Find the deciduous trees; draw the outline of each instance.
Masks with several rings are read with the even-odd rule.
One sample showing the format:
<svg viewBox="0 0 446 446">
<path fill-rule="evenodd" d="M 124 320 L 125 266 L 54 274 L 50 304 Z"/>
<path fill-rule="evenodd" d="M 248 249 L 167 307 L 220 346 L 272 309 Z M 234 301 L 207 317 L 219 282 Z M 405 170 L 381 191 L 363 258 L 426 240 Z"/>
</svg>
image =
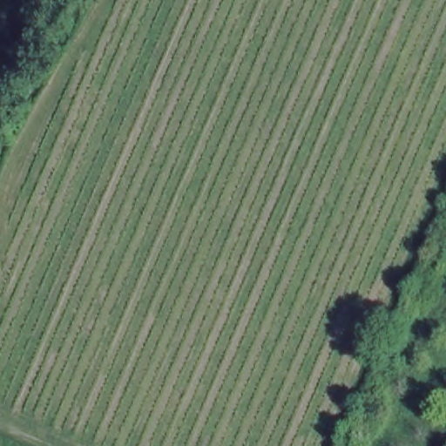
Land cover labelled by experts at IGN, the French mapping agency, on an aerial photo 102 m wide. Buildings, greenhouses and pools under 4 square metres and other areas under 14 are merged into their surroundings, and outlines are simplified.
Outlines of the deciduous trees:
<svg viewBox="0 0 446 446">
<path fill-rule="evenodd" d="M 30 120 L 31 111 L 28 110 L 31 103 L 37 101 L 38 94 L 42 92 L 45 84 L 49 84 L 49 77 L 57 52 L 63 47 L 66 24 L 84 12 L 85 3 L 89 0 L 0 0 L 0 157 L 10 146 L 16 146 L 26 122 Z"/>
<path fill-rule="evenodd" d="M 437 350 L 446 350 L 446 328 L 441 324 L 429 334 L 429 340 L 436 345 Z"/>
<path fill-rule="evenodd" d="M 436 432 L 443 432 L 446 427 L 446 387 L 432 390 L 429 397 L 420 402 L 422 415 L 432 423 Z"/>
<path fill-rule="evenodd" d="M 413 272 L 399 282 L 399 293 L 413 296 L 420 284 L 420 277 Z"/>
<path fill-rule="evenodd" d="M 394 312 L 376 307 L 369 310 L 368 314 L 364 314 L 361 322 L 355 324 L 355 350 L 352 357 L 359 362 L 361 368 L 369 369 L 375 369 L 378 373 L 385 373 L 389 369 L 399 371 L 399 375 L 395 376 L 397 383 L 392 385 L 392 397 L 397 402 L 402 401 L 408 390 L 409 378 L 402 373 L 404 364 L 416 362 L 416 375 L 413 378 L 416 382 L 425 382 L 429 378 L 432 359 L 423 348 L 413 354 L 411 359 L 404 361 L 402 350 L 408 345 L 411 331 L 404 328 L 401 322 L 395 321 Z"/>
<path fill-rule="evenodd" d="M 359 392 L 345 397 L 347 413 L 364 406 L 364 397 Z"/>
</svg>

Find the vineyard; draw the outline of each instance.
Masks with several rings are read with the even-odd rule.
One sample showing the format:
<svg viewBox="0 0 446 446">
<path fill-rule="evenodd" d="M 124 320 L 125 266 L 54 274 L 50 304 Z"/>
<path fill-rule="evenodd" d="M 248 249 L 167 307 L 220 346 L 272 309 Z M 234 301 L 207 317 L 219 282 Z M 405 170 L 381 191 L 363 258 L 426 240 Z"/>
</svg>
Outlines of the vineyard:
<svg viewBox="0 0 446 446">
<path fill-rule="evenodd" d="M 399 293 L 399 282 L 413 272 L 418 263 L 418 249 L 425 240 L 427 226 L 436 220 L 437 209 L 446 206 L 446 0 L 94 0 L 89 17 L 82 19 L 80 23 L 71 51 L 64 57 L 61 66 L 57 66 L 54 75 L 49 77 L 49 84 L 45 84 L 42 92 L 38 94 L 37 101 L 31 103 L 28 110 L 31 111 L 30 120 L 26 122 L 16 146 L 10 146 L 0 157 L 0 446 L 333 446 L 331 436 L 334 425 L 343 420 L 347 413 L 345 397 L 359 392 L 366 382 L 369 369 L 361 368 L 359 362 L 352 357 L 355 350 L 355 324 L 361 322 L 364 314 L 368 314 L 369 310 L 376 307 L 394 312 L 399 301 Z"/>
</svg>

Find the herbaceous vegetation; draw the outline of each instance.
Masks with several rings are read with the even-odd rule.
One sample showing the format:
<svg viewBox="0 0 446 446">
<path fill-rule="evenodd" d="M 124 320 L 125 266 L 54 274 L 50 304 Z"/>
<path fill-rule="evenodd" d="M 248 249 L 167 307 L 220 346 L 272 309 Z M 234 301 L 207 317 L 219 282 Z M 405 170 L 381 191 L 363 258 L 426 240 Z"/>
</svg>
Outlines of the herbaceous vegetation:
<svg viewBox="0 0 446 446">
<path fill-rule="evenodd" d="M 84 12 L 66 24 L 63 47 L 57 52 L 49 77 L 54 75 L 57 66 L 61 66 L 64 57 L 71 51 L 80 23 L 82 19 L 89 17 L 94 0 L 89 0 L 85 3 Z"/>
<path fill-rule="evenodd" d="M 394 312 L 395 321 L 401 322 L 404 328 L 411 331 L 408 345 L 402 350 L 404 361 L 411 359 L 413 354 L 423 348 L 432 359 L 429 378 L 425 382 L 416 382 L 413 378 L 416 375 L 416 362 L 404 364 L 402 373 L 409 378 L 408 390 L 402 401 L 397 402 L 392 397 L 392 385 L 397 383 L 395 376 L 399 375 L 399 371 L 389 369 L 385 373 L 378 373 L 375 369 L 369 369 L 366 382 L 359 392 L 364 397 L 364 406 L 362 425 L 352 432 L 354 446 L 446 446 L 446 427 L 443 432 L 436 432 L 432 423 L 422 415 L 420 402 L 429 397 L 432 390 L 446 387 L 446 350 L 437 350 L 436 345 L 429 340 L 429 334 L 441 324 L 446 328 L 446 242 L 437 247 L 436 256 L 430 261 L 430 265 L 436 270 L 430 274 L 429 286 L 420 284 L 413 296 L 399 293 L 399 301 Z"/>
</svg>

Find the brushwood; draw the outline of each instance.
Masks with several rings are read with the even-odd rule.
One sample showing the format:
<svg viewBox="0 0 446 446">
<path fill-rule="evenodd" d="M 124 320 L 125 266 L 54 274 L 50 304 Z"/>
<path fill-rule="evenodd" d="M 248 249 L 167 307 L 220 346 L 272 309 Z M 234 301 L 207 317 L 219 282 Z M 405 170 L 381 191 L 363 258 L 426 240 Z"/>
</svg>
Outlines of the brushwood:
<svg viewBox="0 0 446 446">
<path fill-rule="evenodd" d="M 413 272 L 420 277 L 420 284 L 429 286 L 430 274 L 436 270 L 430 265 L 430 261 L 436 256 L 437 247 L 446 242 L 446 206 L 437 209 L 436 220 L 427 226 L 425 240 L 418 249 L 418 263 Z"/>
<path fill-rule="evenodd" d="M 343 420 L 334 425 L 331 436 L 333 446 L 354 446 L 352 432 L 362 425 L 364 406 L 347 413 Z"/>
</svg>

